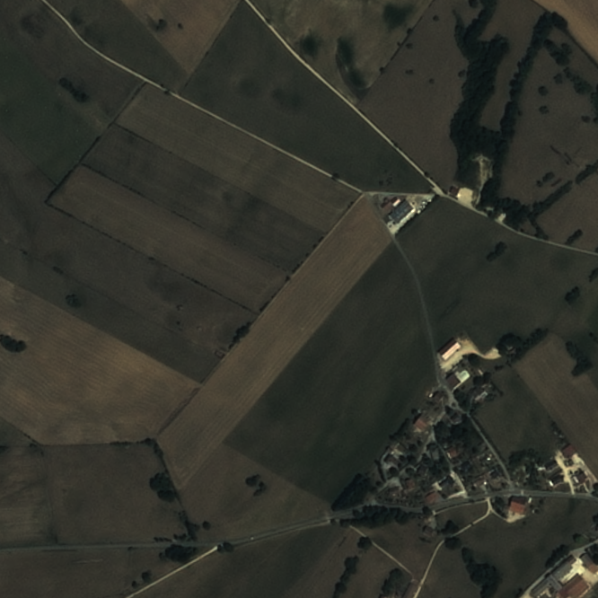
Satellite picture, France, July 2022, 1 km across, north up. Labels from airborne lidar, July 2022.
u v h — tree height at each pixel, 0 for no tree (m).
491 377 9
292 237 0
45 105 0
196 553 8
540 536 0
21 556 0
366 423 0
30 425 0
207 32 0
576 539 13
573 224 0
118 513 0
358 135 0
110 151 0
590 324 0
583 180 6
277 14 0
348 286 0
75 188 0
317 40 0
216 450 0
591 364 8
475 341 0
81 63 0
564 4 0
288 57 0
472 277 0
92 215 0
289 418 0
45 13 0
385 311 0
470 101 10
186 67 0
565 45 7
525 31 0
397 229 0
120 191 0
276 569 0
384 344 0
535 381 0
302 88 0
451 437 7
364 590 0
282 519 0
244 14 0
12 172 0
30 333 0
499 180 6
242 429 0
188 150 0
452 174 0
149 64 0
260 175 0
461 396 15
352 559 13
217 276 0
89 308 0
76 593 0
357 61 0
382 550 0
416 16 0
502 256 13
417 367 0
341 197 0
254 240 0
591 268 0
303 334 0
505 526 0
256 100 0
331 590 0
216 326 0
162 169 0
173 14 0
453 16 0
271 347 0
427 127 0
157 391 0
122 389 0
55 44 0
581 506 0
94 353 0
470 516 0
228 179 0
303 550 0
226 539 0
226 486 0
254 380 0
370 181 0
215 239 0
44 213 0
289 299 0
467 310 0
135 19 0
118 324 0
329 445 0
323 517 0
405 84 0
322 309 0
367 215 0
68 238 0
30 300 0
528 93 0
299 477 0
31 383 0
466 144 19
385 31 0
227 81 0
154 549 0
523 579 0
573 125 0
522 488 0
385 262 0
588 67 0
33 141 0
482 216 0
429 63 0
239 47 0
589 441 0
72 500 0
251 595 0
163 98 0
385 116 0
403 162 0
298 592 0
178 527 0
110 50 0
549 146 0
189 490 0
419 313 0
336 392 0
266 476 0
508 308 0
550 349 0
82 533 0
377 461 0
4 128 0
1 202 0
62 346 0
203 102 0
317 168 0
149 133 0
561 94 0
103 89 0
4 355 0
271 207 0
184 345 0
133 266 0
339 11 0
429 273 0
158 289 0
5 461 0
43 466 0
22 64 0
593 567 0
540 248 0
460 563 0
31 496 0
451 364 0
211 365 0
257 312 0
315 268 0
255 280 0
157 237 0
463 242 0
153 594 0
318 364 0
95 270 0
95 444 0
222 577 0
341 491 0
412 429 0
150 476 0
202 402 0
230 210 0
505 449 0
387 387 0
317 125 0
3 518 0
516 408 0
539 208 17
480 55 6
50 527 0
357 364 0
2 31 0
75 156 0
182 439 0
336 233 0
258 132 0
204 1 0
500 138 8
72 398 0
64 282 0
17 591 0
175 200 0
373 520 14
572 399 0
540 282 0
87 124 0
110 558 0
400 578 10
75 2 0
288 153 0
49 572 0
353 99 0
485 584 11
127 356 0
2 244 0
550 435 0
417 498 6
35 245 0
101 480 0
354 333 0
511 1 0
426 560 0
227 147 0
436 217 0
